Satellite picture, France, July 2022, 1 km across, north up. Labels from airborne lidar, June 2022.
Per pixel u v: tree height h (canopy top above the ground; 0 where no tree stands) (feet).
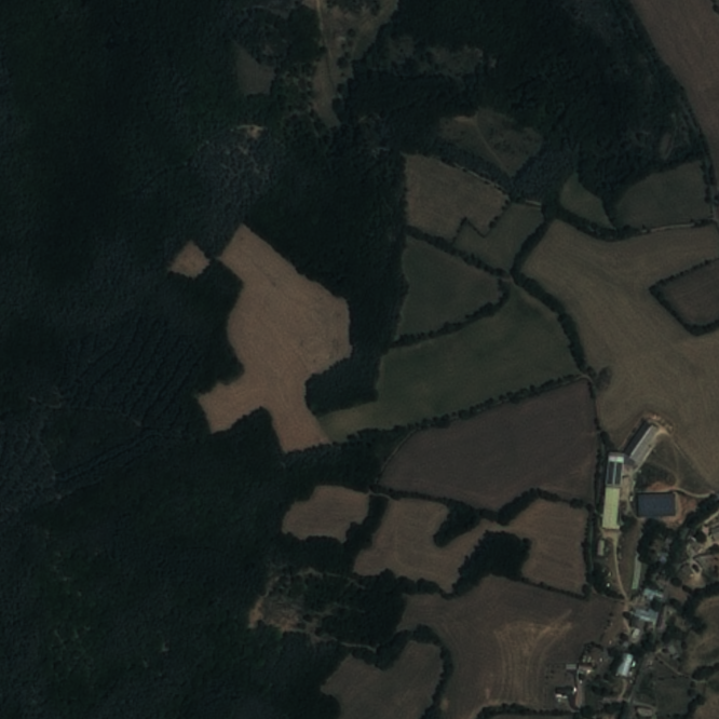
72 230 59
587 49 28
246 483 43
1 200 47
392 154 50
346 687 0
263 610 0
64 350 52
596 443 0
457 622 0
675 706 0
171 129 33
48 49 74
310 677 57
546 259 0
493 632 0
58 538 34
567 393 0
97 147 88
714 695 0
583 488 0
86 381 73
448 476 0
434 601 0
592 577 55
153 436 67
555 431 0
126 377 78
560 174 42
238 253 0
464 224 32
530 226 0
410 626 0
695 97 0
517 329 0
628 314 0
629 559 0
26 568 50
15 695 37
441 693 51
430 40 53
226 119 27
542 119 47
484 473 0
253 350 0
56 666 42
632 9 33
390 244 21
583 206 0
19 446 56
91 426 37
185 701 54
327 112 0
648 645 51
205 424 48
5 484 59
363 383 48
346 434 0
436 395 0
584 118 51
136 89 52
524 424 0
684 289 0
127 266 50
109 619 49
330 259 74
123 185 45
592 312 0
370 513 24
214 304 44
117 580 31
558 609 0
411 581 32
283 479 56
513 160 0
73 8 62
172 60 49
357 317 72
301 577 34
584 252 0
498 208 0
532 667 0
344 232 64
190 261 0
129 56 80
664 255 0
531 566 0
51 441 27
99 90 85
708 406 0
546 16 71
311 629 0
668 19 0
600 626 0
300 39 61
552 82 41
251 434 62
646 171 42
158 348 56
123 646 45
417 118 55
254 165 27
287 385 0
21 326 56
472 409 32
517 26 43
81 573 42
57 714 60
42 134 61
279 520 50
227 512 43
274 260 0
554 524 0
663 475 0
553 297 49
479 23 30
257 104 36
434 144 51
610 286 0
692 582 0
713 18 0
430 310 0
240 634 36
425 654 0
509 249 0
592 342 0
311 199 48
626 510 0
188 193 47
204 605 37
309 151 55
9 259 49
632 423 0
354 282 73
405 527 0
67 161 73
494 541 79
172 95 50
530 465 0
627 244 0
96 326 43
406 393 0
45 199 68
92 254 54
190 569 66
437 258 0
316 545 60
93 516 37
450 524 39
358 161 66
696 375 0
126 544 70
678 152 30
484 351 0
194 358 68
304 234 72
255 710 42
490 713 28
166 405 60
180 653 55
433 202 0
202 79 55
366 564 0
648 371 0
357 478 61
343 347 0
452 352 0
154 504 36
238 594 47
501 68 51
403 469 0
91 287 52
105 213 73
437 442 0
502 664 0
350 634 19
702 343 0
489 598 0
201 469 57
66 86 72
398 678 0
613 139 25
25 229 59
